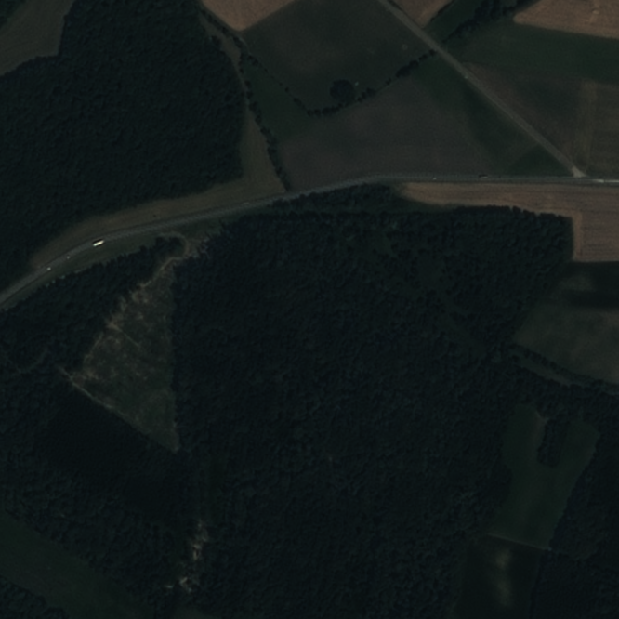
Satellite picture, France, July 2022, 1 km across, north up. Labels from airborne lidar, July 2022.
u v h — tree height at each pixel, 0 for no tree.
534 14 0
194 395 27
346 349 28
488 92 0
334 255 26
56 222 17
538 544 0
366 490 24
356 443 22
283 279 26
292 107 0
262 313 25
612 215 0
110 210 14
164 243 14
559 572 20
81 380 0
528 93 0
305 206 11
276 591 25
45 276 0
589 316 0
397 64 0
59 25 0
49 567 0
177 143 18
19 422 25
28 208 19
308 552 27
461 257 20
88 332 17
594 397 15
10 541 0
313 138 0
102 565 22
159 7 24
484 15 18
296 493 21
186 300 29
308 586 26
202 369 28
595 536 21
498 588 0
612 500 13
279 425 8
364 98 9
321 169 0
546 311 0
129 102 22
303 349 29
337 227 20
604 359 0
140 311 0
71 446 20
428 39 0
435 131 0
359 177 0
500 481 21
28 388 14
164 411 0
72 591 0
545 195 0
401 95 0
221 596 27
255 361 23
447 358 29
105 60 21
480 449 22
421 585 29
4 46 0
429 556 25
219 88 21
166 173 20
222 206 0
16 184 22
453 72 0
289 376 19
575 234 0
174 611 15
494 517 14
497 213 19
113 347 0
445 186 0
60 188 24
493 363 18
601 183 0
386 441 25
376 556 22
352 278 27
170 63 19
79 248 0
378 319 25
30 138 20
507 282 20
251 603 19
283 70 0
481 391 21
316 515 28
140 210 0
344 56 0
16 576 0
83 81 25
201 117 22
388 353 28
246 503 8
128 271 18
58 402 21
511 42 0
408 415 28
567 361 0
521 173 0
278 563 30
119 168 24
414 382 20
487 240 22
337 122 0
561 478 0
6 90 20
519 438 0
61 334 25
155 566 29
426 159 0
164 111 18
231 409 23
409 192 0
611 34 0
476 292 17
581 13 0
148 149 20
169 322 0
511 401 19
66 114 22
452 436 29
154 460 13
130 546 27
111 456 18
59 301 21
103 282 20
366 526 24
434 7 0
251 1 0
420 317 10
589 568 21
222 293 31
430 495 24
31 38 0
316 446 22
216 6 0
